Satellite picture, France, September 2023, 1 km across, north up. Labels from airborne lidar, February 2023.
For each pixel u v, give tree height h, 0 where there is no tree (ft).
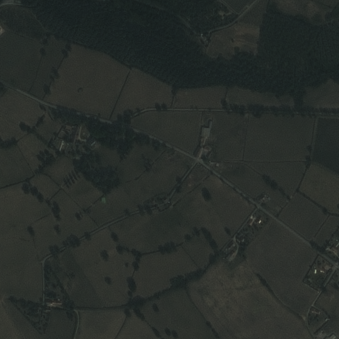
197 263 0
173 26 45
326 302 0
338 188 0
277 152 0
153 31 54
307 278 22
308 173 0
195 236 30
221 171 0
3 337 0
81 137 0
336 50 33
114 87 0
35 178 0
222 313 0
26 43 0
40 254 0
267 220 17
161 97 0
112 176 81
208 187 0
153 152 0
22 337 0
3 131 0
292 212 0
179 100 0
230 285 0
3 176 0
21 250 0
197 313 0
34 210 0
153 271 0
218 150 0
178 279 22
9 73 0
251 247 0
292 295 0
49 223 0
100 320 0
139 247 0
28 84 0
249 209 0
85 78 0
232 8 0
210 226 0
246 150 0
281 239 0
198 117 0
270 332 0
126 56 37
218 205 0
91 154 77
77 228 0
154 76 34
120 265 0
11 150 0
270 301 0
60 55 0
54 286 45
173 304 0
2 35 0
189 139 0
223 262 0
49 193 0
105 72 0
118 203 0
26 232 0
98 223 0
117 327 0
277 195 0
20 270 0
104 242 0
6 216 0
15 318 0
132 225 0
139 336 0
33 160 0
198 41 0
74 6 51
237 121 0
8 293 0
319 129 0
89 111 0
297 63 43
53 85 0
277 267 0
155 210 0
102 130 83
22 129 46
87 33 42
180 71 48
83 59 0
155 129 0
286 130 0
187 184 0
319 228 0
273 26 35
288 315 0
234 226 0
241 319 0
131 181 0
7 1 0
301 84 79
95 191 0
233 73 77
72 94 0
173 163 0
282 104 0
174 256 0
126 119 63
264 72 54
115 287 0
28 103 0
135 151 0
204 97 0
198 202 0
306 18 0
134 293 0
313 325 0
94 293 0
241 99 0
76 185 0
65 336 0
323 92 0
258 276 28
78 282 0
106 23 45
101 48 39
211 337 0
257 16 0
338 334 0
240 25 0
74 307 21
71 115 74
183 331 0
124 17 83
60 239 0
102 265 0
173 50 34
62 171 0
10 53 0
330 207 0
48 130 0
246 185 0
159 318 0
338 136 0
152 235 0
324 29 31
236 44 0
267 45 49
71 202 0
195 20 31
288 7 0
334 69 66
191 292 0
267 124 0
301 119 0
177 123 0
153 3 47
